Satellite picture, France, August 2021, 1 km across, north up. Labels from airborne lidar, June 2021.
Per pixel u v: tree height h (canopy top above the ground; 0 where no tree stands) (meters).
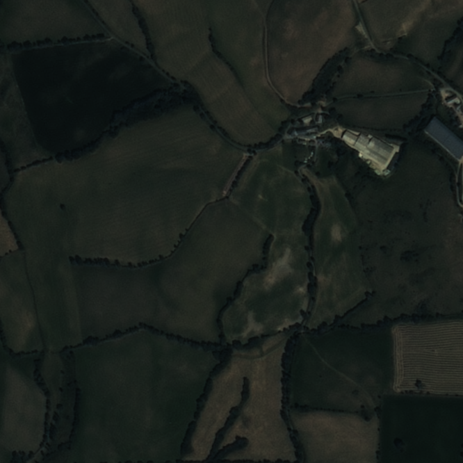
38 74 0
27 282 0
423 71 0
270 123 0
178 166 0
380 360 0
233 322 0
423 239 0
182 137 0
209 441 0
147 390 0
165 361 0
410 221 0
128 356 0
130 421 0
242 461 8
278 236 0
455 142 0
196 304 0
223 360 10
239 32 0
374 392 0
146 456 0
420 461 0
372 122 0
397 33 0
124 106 0
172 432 0
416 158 0
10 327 0
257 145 9
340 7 0
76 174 0
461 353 0
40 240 0
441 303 0
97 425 0
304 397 0
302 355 0
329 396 0
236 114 0
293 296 0
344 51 10
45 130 0
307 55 0
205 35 0
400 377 0
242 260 0
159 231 0
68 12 0
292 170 0
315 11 0
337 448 0
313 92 17
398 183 0
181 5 0
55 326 0
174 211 0
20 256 0
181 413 0
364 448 0
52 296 0
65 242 0
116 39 0
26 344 0
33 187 0
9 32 0
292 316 0
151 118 13
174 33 0
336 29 0
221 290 0
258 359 0
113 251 0
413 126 17
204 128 0
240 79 0
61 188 0
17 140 0
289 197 0
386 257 0
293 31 0
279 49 0
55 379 0
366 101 0
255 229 0
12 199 0
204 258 0
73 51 0
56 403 0
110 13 0
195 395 0
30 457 13
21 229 0
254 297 0
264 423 0
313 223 9
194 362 0
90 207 0
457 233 0
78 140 0
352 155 11
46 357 0
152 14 0
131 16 0
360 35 0
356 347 0
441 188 0
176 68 0
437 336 0
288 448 0
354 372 0
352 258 0
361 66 0
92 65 0
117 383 0
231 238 0
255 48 0
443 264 0
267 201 0
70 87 0
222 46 0
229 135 7
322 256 0
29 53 0
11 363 0
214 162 0
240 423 0
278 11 0
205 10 0
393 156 0
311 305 0
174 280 0
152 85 0
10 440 0
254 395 0
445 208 0
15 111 0
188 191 0
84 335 0
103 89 0
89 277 0
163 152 0
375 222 0
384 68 0
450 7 0
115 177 0
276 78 0
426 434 0
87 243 0
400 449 20
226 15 0
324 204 0
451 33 0
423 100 0
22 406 0
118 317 0
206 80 0
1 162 0
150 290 0
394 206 0
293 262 0
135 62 0
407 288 0
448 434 0
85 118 0
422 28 0
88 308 0
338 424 0
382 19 0
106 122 0
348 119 0
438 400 0
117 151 0
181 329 0
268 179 0
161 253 0
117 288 0
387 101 0
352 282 0
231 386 0
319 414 0
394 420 0
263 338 8
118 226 0
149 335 0
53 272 0
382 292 0
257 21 0
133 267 12
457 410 0
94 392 0
